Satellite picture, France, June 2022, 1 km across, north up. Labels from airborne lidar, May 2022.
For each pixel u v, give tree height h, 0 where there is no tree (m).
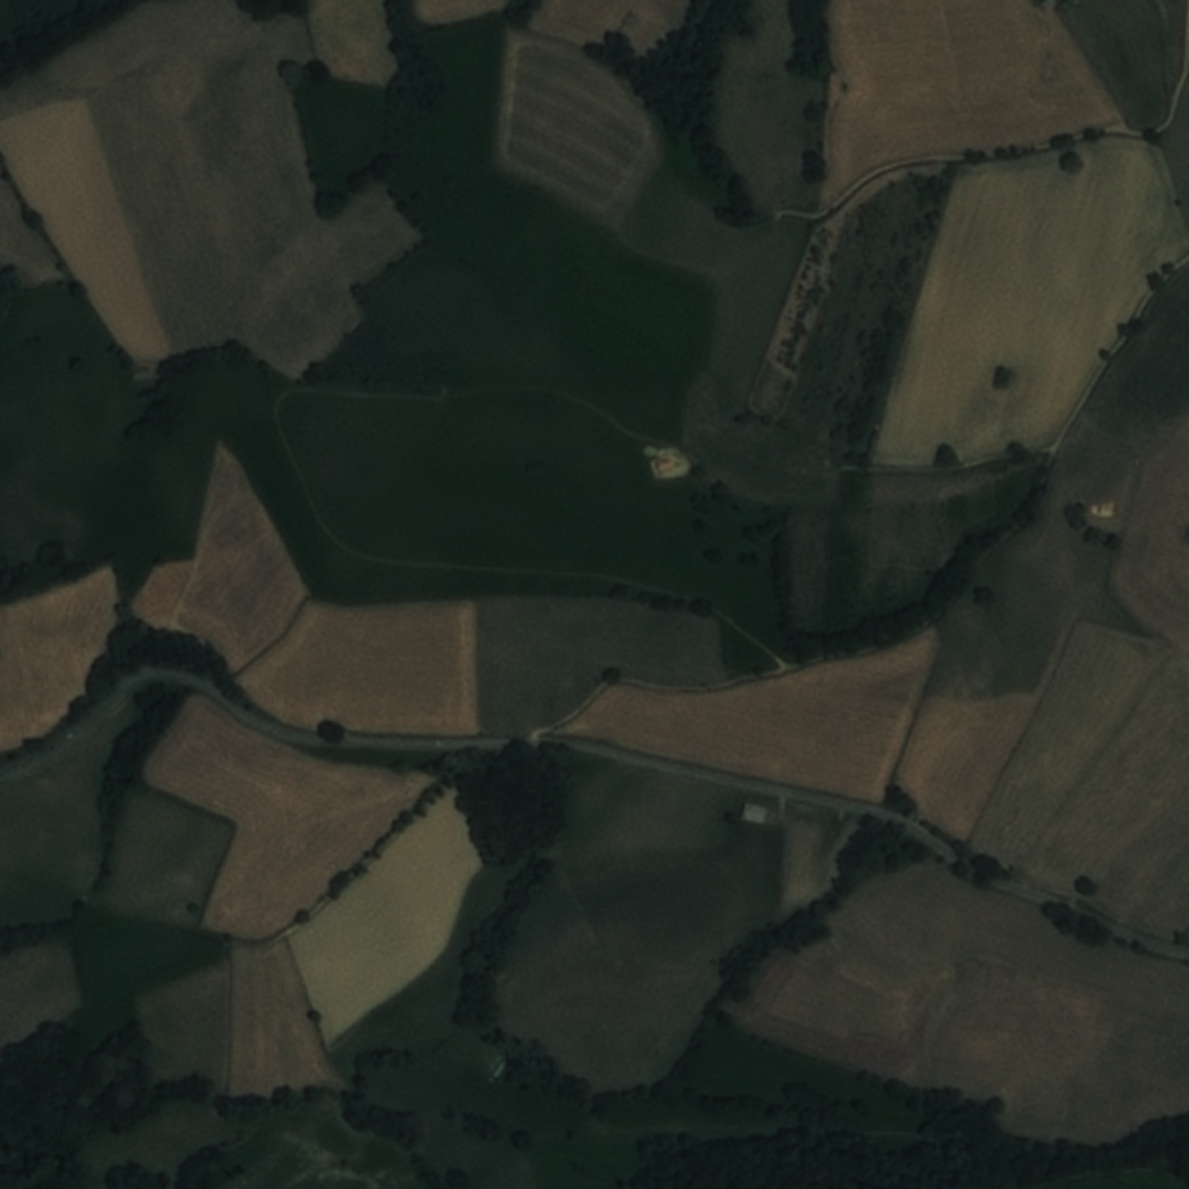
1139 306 0
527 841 16
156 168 0
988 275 0
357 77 0
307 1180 0
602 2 0
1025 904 0
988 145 0
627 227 0
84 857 0
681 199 0
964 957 0
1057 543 0
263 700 0
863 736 0
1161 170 0
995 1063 0
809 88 0
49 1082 17
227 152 0
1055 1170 20
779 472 0
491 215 0
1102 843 0
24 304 0
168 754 0
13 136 0
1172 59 0
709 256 0
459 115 0
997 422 0
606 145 0
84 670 0
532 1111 0
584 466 0
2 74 11
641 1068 0
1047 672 0
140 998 0
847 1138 14
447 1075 0
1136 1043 0
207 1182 18
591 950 0
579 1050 0
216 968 0
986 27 0
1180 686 0
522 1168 0
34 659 0
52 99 0
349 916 0
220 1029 0
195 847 0
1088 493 0
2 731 0
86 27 12
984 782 0
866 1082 8
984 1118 15
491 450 0
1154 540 0
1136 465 0
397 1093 0
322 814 0
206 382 0
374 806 0
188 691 8
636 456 0
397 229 0
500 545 0
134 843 0
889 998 0
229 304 0
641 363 0
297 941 0
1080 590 0
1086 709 0
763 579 0
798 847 0
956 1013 0
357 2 0
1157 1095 0
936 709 0
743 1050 0
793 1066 0
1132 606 0
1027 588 0
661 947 0
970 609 0
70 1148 18
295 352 0
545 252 0
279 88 0
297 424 0
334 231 0
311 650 0
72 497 0
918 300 0
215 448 0
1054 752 0
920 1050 0
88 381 0
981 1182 22
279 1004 0
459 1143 0
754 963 8
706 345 0
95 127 0
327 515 0
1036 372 0
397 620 0
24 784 0
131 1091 25
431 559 0
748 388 0
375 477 0
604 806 0
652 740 0
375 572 0
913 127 0
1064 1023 0
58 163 0
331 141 0
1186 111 0
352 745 0
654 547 0
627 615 0
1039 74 0
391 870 0
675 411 0
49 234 0
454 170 0
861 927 0
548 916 0
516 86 0
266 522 0
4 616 0
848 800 0
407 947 0
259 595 0
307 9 7
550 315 0
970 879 11
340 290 0
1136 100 0
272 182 0
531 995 0
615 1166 0
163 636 12
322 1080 0
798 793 0
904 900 0
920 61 0
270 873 0
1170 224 0
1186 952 0
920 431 0
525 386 0
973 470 0
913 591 0
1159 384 0
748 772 0
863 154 0
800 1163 24
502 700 0
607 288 0
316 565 0
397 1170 0
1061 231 0
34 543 0
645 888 0
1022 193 0
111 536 0
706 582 0
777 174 0
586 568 0
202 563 0
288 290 0
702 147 9
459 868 0
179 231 0
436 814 0
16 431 0
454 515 0
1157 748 0
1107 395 0
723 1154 20
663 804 0
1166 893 0
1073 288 0
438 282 0
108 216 0
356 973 0
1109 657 0
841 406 5
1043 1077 0
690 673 0
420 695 0
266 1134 0
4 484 0
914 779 0
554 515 0
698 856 0
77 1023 0
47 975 0
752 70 0
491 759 9
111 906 0
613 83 0
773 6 0
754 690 0
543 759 14
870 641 9
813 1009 0
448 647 0
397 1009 0
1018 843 0
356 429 0
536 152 0
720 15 17
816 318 0
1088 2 0
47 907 0
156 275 0
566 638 0
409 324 0
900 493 0
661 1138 7
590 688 0
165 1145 0
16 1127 25
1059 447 0
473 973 14
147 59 0
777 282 0
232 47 0
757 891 0
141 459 0
